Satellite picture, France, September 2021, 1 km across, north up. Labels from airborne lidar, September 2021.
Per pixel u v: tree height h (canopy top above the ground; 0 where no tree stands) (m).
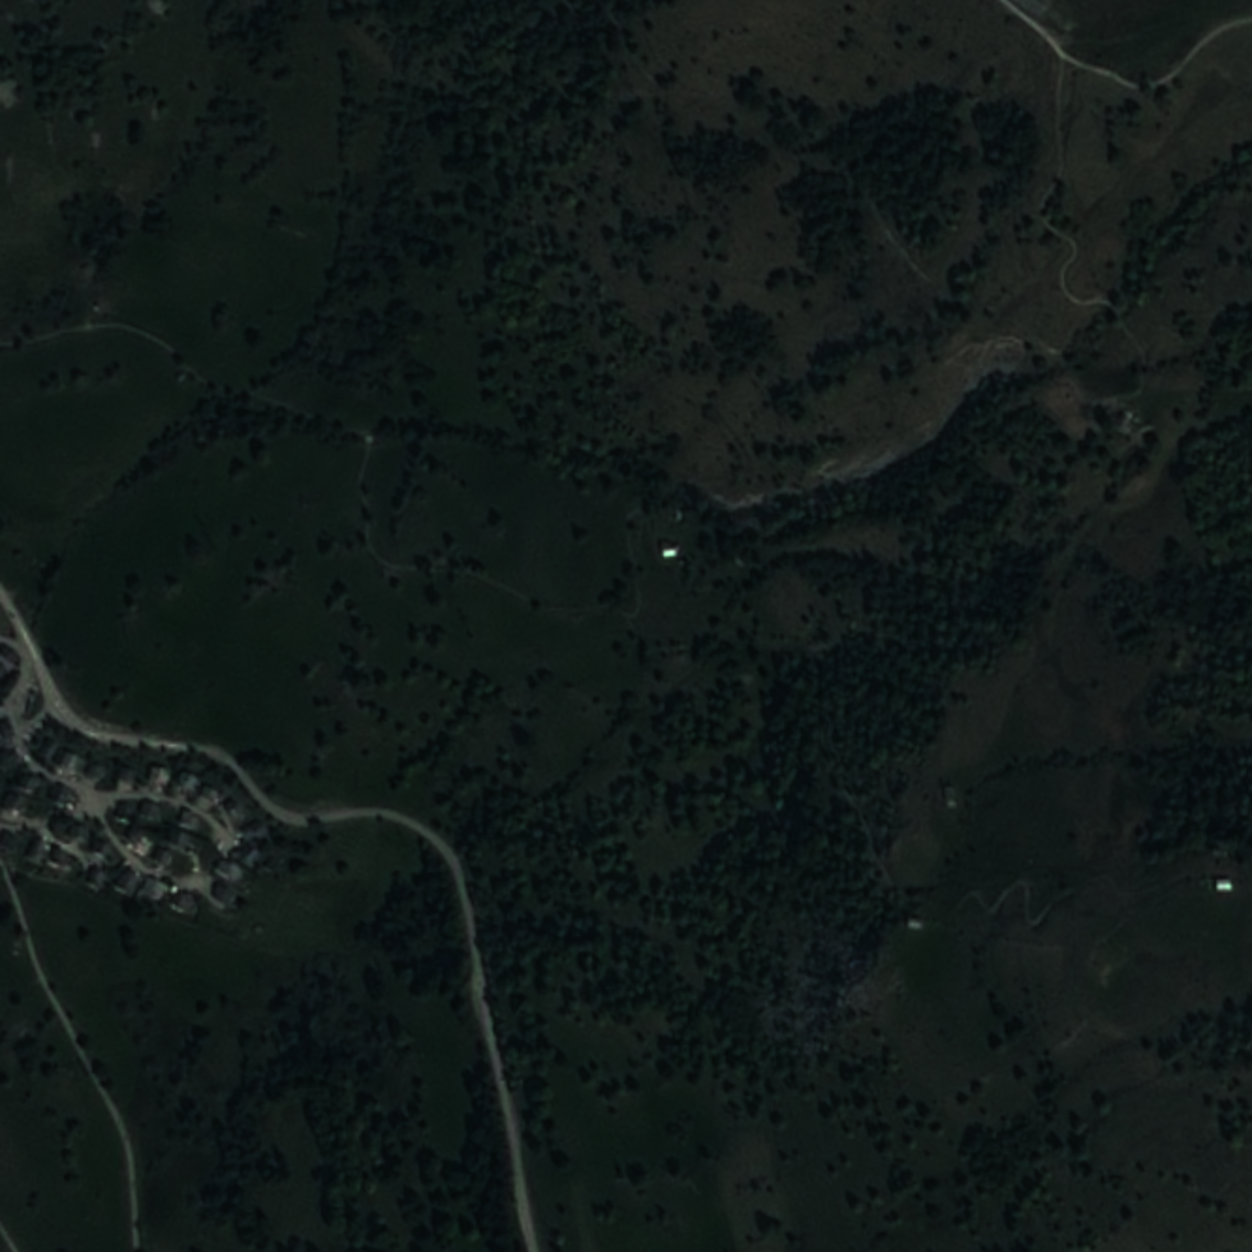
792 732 17
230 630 0
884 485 8
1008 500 13
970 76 0
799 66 0
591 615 0
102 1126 0
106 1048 0
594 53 15
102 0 0
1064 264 0
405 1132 15
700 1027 13
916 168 14
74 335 0
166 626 0
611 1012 16
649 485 11
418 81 7
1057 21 0
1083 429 0
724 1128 0
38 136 0
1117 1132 0
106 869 8
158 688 0
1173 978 0
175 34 0
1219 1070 11
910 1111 6
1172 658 7
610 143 7
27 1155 0
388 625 0
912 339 7
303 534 0
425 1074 0
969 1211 11
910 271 0
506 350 8
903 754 8
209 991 0
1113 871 0
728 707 11
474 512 0
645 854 0
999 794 0
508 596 0
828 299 0
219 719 0
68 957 0
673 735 11
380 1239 20
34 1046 10
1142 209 12
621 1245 0
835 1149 0
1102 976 0
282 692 0
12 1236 0
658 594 0
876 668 15
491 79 11
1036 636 0
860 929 7
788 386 9
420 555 0
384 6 18
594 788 0
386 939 8
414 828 0
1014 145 13
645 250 12
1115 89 0
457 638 0
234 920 0
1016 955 0
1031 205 0
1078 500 0
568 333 14
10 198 0
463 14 7
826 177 6
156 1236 0
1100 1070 0
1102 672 0
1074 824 0
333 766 0
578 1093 0
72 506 0
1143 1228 0
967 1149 11
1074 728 0
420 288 0
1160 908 0
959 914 0
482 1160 16
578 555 0
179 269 0
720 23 0
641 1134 0
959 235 0
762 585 13
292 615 0
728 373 8
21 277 0
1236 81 0
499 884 8
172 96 0
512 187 13
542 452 14
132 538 0
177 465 0
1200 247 0
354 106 11
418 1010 0
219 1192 11
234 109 8
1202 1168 0
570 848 6
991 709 0
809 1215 0
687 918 10
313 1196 0
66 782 0
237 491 0
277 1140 0
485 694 10
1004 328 0
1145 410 0
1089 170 0
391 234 7
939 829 0
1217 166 8
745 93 13
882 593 11
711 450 0
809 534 13
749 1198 0
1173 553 10
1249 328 17
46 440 0
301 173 0
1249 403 0
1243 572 12
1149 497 0
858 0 0
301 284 0
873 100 0
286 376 7
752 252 0
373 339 9
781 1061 6
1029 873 0
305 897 0
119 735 0
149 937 0
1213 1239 0
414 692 0
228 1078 0
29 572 0
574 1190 0
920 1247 0
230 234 0
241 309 0
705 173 11
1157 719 11
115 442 0
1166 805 7
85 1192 0
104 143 0
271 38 9
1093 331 7
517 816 9
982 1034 0
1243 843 10
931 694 8
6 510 0
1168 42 0
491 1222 18
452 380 0
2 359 0
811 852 20
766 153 6
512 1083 10
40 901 0
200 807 0
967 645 9
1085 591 0
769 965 6
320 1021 6
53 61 9
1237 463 9
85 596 0
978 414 10
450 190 0
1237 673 15
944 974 0
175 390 0
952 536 15
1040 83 0
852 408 0
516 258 14
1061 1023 0
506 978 8
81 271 0
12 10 0
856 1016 7
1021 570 13
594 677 0
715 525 7
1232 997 0
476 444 6
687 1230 0
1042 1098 11
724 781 8
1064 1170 0
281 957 0
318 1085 10
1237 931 0
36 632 0
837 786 9
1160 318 0
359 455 0
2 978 0
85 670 0
